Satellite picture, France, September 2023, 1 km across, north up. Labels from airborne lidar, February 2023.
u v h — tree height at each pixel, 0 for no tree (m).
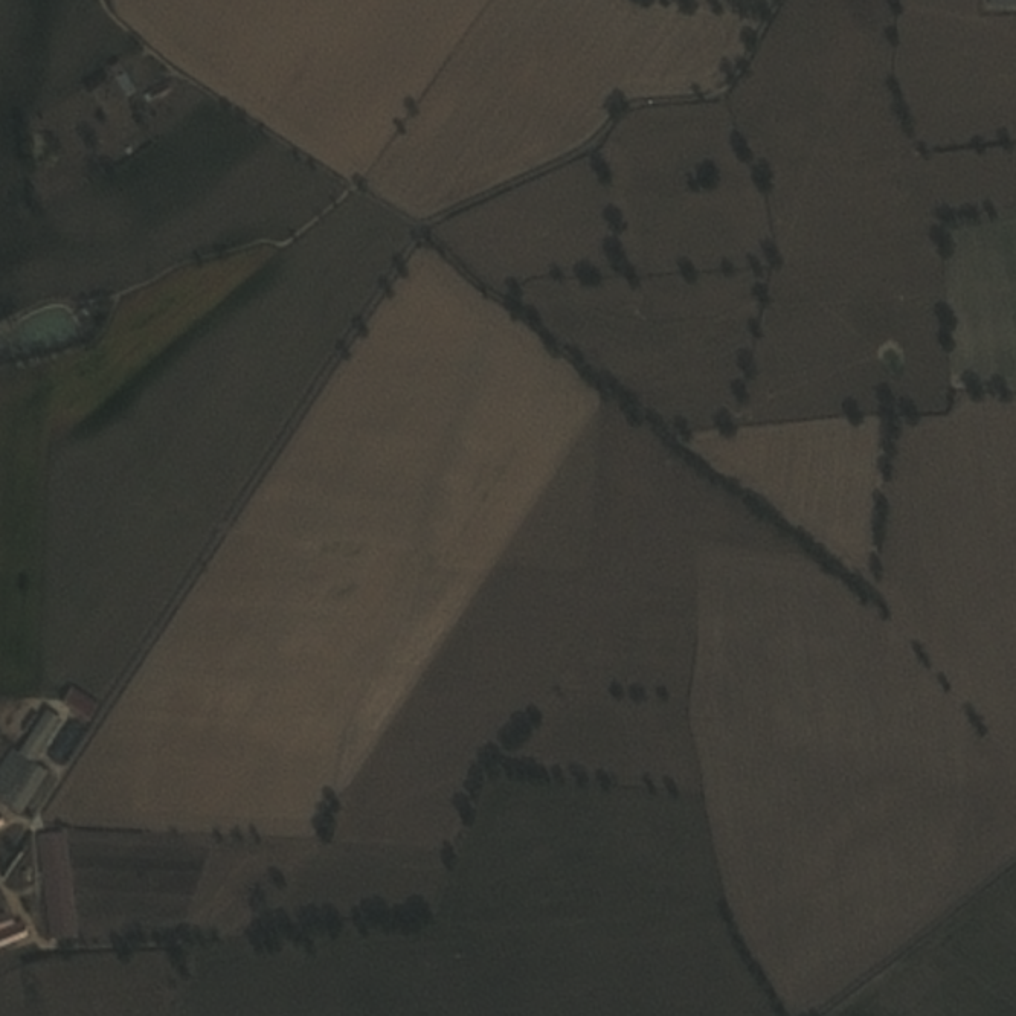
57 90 0
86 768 0
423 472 0
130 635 0
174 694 0
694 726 0
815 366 0
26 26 0
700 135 0
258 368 0
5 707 0
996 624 0
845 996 0
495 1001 0
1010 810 0
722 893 0
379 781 0
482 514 0
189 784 0
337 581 0
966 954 0
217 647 0
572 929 0
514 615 0
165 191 0
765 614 0
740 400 9
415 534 0
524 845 0
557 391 0
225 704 0
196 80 0
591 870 0
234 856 0
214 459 0
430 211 0
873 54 0
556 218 0
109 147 0
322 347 0
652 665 0
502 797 0
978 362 0
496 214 0
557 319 0
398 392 0
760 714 0
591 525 0
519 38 0
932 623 0
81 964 0
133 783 0
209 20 0
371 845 0
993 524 0
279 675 0
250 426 0
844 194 0
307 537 0
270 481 0
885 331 0
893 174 0
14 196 0
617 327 0
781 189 0
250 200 0
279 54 0
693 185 10
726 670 0
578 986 0
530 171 0
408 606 0
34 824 0
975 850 0
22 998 0
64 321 0
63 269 0
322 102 0
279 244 0
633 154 0
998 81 0
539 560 0
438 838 0
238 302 0
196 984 0
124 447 0
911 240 0
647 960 0
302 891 0
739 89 0
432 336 0
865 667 0
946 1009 0
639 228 0
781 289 0
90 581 0
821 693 0
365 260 0
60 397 0
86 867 0
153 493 0
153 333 0
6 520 0
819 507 0
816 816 0
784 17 0
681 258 0
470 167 0
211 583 0
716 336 0
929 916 0
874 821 0
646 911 0
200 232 0
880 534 12
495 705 0
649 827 0
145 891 0
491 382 0
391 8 0
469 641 0
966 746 0
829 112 0
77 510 0
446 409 0
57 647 0
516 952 0
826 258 0
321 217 11
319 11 0
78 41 0
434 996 0
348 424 0
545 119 0
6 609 0
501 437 0
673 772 0
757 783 0
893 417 16
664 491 0
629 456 0
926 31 0
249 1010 0
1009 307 0
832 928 0
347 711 0
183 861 0
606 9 0
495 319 0
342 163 0
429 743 0
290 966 0
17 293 0
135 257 0
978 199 0
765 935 0
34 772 0
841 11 0
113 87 0
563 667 0
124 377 0
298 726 0
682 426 14
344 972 0
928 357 0
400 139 0
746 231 0
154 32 0
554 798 0
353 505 0
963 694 0
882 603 15
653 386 0
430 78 0
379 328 0
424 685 0
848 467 0
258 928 14
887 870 0
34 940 0
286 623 0
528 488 0
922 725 0
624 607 0
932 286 0
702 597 0
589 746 0
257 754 0
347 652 0
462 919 0
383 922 15
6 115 0
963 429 0
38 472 0
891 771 0
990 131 0
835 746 0
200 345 0
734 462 0
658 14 0
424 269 0
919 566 0
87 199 0
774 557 0
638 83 0
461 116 0
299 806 0
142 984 0
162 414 0
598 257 0
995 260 0
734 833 0
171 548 0
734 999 0
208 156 0
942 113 0
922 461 0
